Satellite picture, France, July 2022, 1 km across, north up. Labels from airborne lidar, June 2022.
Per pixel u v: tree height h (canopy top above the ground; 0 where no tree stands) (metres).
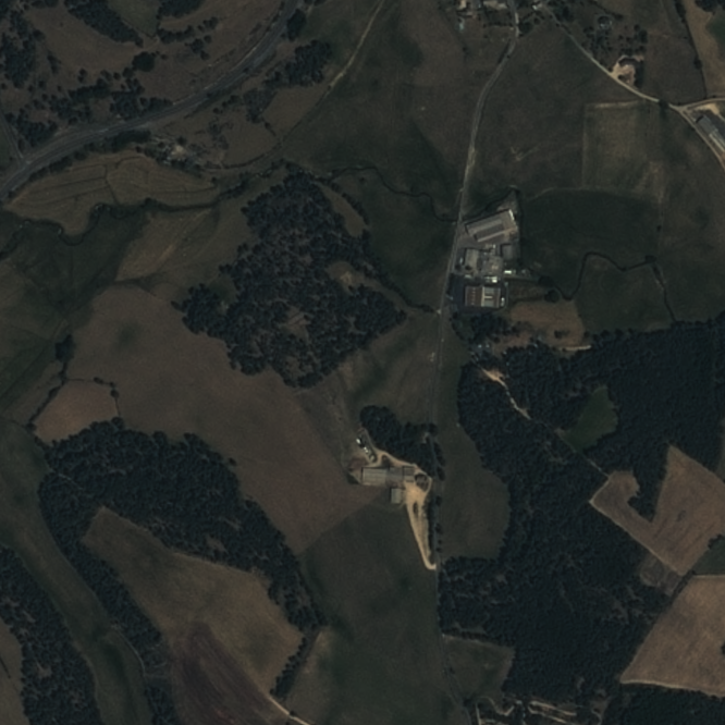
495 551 0
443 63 0
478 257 0
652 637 0
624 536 7
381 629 0
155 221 0
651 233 0
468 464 0
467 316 0
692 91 0
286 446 0
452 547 0
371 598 0
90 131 0
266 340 17
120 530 0
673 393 17
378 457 0
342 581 0
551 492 20
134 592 0
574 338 0
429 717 0
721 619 0
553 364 20
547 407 22
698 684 0
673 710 15
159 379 0
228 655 0
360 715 0
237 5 0
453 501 0
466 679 0
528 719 8
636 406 15
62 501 19
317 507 0
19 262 0
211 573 0
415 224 0
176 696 0
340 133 0
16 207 0
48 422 0
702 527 0
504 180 0
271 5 0
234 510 16
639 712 17
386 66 0
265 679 0
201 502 18
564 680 21
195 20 0
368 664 0
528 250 0
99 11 16
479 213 0
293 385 16
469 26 0
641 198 0
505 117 0
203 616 0
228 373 0
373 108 0
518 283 0
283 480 0
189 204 0
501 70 0
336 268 0
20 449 0
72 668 17
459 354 0
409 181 0
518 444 19
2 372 0
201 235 0
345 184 0
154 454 18
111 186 0
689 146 0
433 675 0
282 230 15
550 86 0
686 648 0
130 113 12
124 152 0
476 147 0
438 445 15
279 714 0
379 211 0
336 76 0
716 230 0
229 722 0
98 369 0
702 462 13
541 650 12
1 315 0
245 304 16
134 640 9
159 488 21
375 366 0
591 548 15
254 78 0
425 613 0
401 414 0
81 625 0
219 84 0
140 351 0
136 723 0
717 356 9
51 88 0
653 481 17
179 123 0
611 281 0
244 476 0
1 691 0
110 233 0
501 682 0
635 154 0
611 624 16
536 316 0
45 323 0
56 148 0
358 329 16
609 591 12
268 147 0
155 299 0
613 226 0
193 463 20
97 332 0
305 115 0
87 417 0
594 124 0
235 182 0
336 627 0
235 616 0
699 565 0
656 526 0
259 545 17
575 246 0
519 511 18
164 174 0
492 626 18
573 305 0
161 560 0
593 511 9
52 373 0
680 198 0
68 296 0
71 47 0
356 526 0
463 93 0
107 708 0
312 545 0
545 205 0
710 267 0
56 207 0
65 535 15
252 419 0
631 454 17
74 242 0
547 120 0
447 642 0
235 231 0
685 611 0
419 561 0
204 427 0
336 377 0
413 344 0
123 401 0
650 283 0
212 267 0
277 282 19
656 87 0
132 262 0
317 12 0
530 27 12
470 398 16
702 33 0
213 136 0
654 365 13
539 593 15
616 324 0
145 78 0
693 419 20
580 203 0
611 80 0
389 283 21
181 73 0
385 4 0
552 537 14
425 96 0
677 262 0
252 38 0
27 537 0
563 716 0
